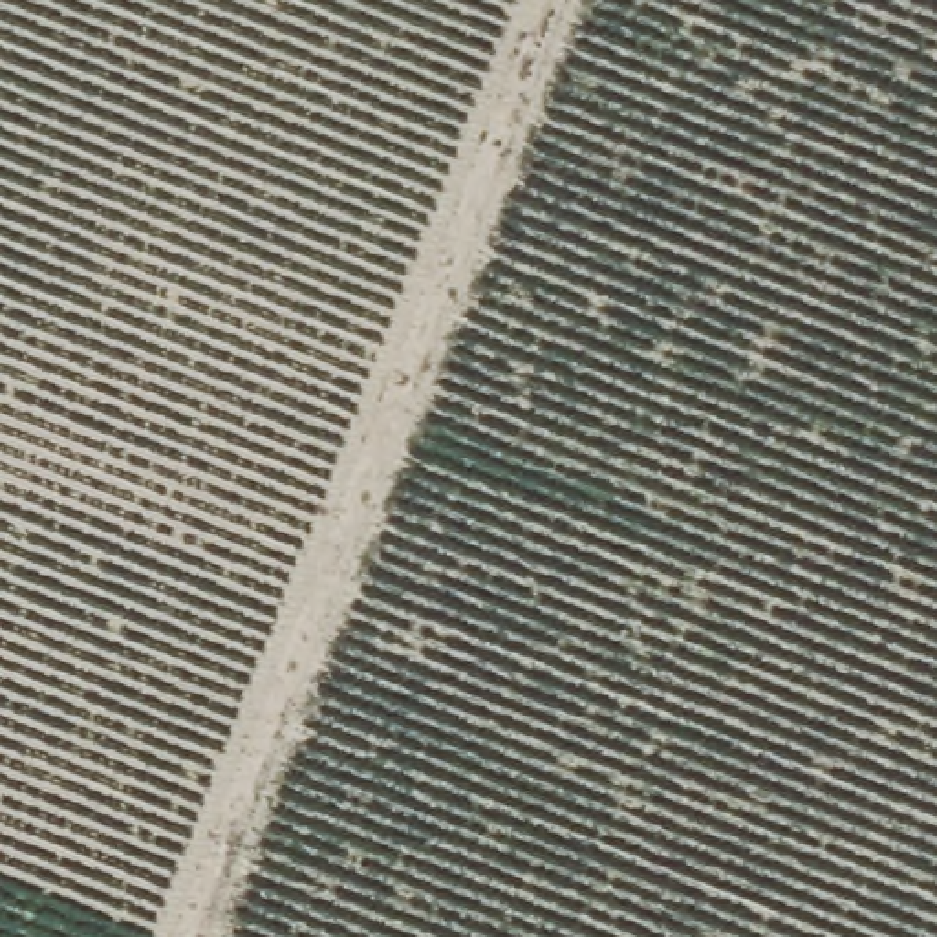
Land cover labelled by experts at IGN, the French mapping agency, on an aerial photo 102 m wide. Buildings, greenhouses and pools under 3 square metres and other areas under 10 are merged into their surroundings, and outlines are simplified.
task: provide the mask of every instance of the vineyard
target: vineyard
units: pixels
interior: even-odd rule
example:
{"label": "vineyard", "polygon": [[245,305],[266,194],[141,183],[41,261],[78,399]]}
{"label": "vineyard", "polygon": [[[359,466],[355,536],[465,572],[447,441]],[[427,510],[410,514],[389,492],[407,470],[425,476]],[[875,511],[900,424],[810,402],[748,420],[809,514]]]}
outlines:
{"label": "vineyard", "polygon": [[406,267],[417,256],[421,231],[454,165],[461,124],[472,113],[476,88],[490,66],[512,0],[0,0],[0,937],[154,937],[150,930],[176,878],[179,853],[190,845],[194,820],[212,787],[212,761],[227,747],[234,717],[242,710],[245,684],[275,630],[300,545],[307,542],[315,516],[326,505],[337,454],[359,410],[359,388],[366,384],[381,340],[392,326],[392,307],[403,293]]}
{"label": "vineyard", "polygon": [[234,908],[231,937],[937,937],[937,0],[582,0],[582,22],[571,29],[567,55],[560,59],[556,77],[549,84],[545,117],[538,128],[531,128],[523,146],[523,179],[505,194],[498,231],[490,234],[494,260],[472,282],[476,304],[469,307],[465,326],[450,333],[436,399],[421,417],[417,432],[410,436],[406,469],[395,476],[395,487],[384,501],[384,531],[362,553],[362,593],[348,608],[348,622],[340,626],[329,648],[329,666],[318,673],[318,688],[304,703],[307,739],[296,743],[289,769],[282,772],[278,805],[271,809],[271,824],[260,838],[260,864],[249,875],[249,889]]}

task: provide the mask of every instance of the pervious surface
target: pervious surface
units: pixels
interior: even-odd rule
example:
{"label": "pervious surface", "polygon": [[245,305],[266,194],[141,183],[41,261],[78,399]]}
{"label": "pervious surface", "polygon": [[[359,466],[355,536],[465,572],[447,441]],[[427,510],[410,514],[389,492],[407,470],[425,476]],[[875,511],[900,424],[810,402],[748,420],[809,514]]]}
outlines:
{"label": "pervious surface", "polygon": [[337,454],[326,505],[315,516],[307,542],[300,545],[275,630],[245,684],[242,710],[234,717],[227,747],[212,761],[212,787],[194,820],[190,845],[179,853],[176,878],[150,930],[154,937],[231,937],[234,908],[249,889],[249,875],[260,864],[260,838],[271,824],[271,809],[278,805],[282,772],[289,769],[296,743],[307,739],[304,703],[318,688],[318,673],[329,666],[329,648],[340,626],[348,622],[348,608],[362,593],[362,553],[384,531],[384,501],[395,487],[395,476],[406,469],[410,436],[417,432],[421,417],[436,399],[450,333],[465,326],[469,307],[476,304],[472,282],[494,260],[490,234],[498,231],[505,194],[523,179],[523,146],[531,128],[538,128],[545,117],[549,84],[556,77],[560,59],[567,55],[571,29],[582,22],[582,0],[512,0],[490,66],[476,88],[472,113],[461,124],[454,165],[421,231],[417,256],[406,267],[403,293],[392,307],[392,326],[381,340],[366,384],[359,388],[359,410]]}

